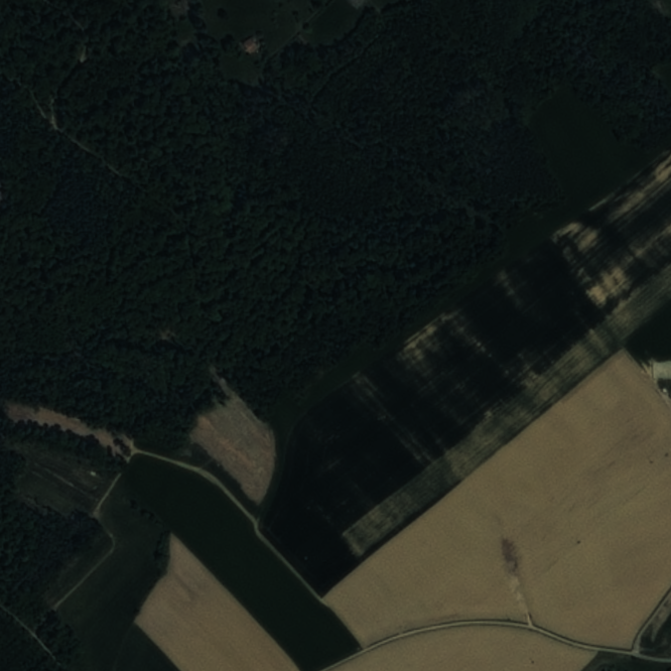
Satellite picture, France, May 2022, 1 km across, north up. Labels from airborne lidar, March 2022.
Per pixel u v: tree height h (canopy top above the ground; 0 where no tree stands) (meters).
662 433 0
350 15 0
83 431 0
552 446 0
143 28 32
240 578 0
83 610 0
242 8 0
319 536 0
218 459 0
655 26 17
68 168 21
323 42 0
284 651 0
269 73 11
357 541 0
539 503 0
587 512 0
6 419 25
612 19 28
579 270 0
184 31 0
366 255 32
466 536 0
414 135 16
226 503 0
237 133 15
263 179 8
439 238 15
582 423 0
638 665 0
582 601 0
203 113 20
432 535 0
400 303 28
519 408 0
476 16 7
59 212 23
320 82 13
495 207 14
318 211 10
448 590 0
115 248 24
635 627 0
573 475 0
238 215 30
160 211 12
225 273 28
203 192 29
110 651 0
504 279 0
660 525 0
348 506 0
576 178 0
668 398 0
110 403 23
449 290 25
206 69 10
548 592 0
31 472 0
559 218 0
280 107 16
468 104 22
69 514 0
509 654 0
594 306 0
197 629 0
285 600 0
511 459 0
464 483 0
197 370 28
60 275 30
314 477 0
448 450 0
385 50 12
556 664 0
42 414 0
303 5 0
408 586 0
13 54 27
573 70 19
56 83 27
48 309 23
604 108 26
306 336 21
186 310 28
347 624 0
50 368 24
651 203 0
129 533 0
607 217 0
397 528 0
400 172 22
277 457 0
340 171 11
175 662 0
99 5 18
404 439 0
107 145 28
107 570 0
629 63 21
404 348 0
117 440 0
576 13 21
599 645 0
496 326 0
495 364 0
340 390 0
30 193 16
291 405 0
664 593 0
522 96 13
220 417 0
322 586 0
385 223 15
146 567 0
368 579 0
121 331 28
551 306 0
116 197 21
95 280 25
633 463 0
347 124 11
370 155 19
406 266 19
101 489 0
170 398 12
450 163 7
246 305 28
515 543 0
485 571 0
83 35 30
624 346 0
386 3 0
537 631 0
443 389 0
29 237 25
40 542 22
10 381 23
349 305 30
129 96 30
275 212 13
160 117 31
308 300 25
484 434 0
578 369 0
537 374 0
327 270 31
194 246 23
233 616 0
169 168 27
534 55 12
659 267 0
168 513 0
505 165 24
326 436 0
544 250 0
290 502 0
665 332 0
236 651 0
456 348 0
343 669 0
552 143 0
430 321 0
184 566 0
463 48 10
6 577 25
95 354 25
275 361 30
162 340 0
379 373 0
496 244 28
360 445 0
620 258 0
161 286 25
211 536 0
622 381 0
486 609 0
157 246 24
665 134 20
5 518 27
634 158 0
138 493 0
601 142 0
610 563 0
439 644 0
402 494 0
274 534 0
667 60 22
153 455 0
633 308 0
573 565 0
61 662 23
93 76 28
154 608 0
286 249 23
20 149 14
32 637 8
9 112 23
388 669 0
